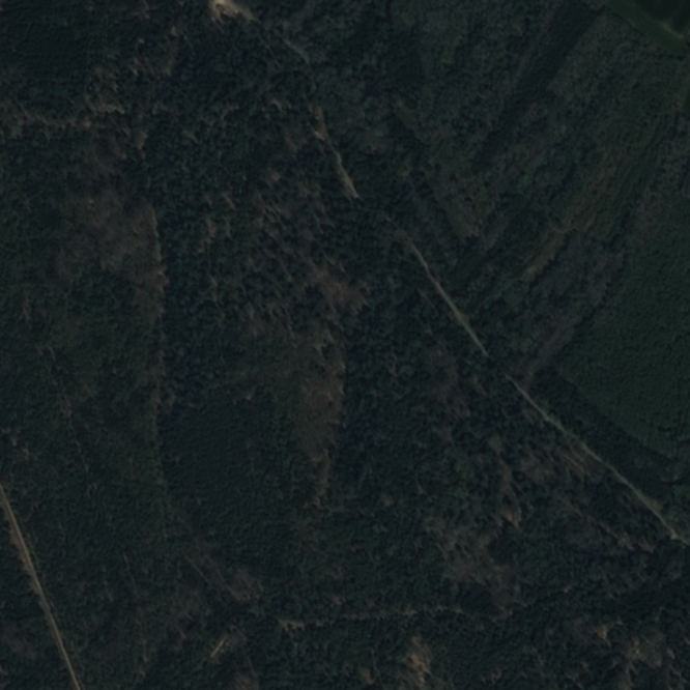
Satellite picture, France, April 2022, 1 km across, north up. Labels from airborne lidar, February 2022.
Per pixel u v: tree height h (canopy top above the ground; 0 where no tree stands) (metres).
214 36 17
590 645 26
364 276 20
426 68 20
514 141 16
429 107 23
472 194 6
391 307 22
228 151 10
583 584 23
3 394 9
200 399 10
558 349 27
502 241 10
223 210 7
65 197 13
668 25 0
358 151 24
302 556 13
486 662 21
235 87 17
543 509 21
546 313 24
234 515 11
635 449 18
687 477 13
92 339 14
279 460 12
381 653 26
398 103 23
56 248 14
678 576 17
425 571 8
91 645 9
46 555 8
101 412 7
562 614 12
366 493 13
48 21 12
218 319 23
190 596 13
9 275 8
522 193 14
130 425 15
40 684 14
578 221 7
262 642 26
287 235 29
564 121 19
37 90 17
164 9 13
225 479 9
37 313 9
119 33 10
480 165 17
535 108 21
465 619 10
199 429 8
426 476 15
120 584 10
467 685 22
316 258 29
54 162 13
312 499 12
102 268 12
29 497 7
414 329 16
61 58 12
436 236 28
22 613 10
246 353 13
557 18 17
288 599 8
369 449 13
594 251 20
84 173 15
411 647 20
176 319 10
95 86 10
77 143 12
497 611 10
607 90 20
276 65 26
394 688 27
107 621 10
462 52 23
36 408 10
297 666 25
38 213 9
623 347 17
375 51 24
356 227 20
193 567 11
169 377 9
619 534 33
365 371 23
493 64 24
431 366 11
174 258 10
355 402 17
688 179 18
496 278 7
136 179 14
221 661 9
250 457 11
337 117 29
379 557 20
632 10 0
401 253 8
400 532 14
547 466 30
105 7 14
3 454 8
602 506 22
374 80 17
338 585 8
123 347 15
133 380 12
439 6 23
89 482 9
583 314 15
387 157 23
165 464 12
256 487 7
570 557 13
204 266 9
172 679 12
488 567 11
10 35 9
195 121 26
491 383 20
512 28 26
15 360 10
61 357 10
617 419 13
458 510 8
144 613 9
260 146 14
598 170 11
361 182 18
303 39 28
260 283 28
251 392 11
